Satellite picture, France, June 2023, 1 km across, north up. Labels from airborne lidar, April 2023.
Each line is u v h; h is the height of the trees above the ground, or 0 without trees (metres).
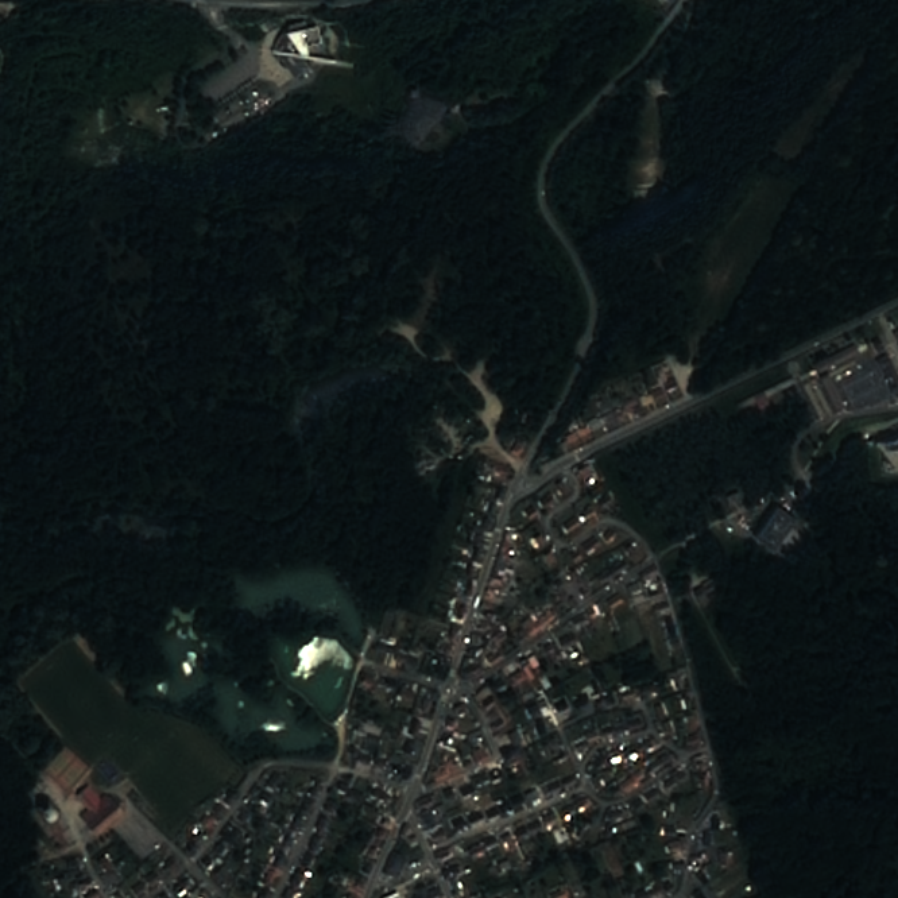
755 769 17
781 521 0
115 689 0
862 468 9
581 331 0
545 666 12
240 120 0
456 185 9
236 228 18
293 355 17
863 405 0
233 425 22
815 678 17
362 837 8
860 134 23
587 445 0
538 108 17
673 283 13
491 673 0
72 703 0
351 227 19
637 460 16
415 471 14
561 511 0
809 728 16
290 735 0
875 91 24
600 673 9
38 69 7
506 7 8
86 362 17
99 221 0
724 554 22
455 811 0
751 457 18
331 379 0
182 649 0
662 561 0
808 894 20
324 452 20
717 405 0
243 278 9
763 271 16
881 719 23
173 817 0
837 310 15
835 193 20
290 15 0
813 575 25
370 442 17
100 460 18
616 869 0
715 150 23
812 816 24
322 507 15
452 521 0
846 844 27
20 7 7
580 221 18
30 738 22
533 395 21
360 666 0
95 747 0
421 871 0
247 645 16
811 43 20
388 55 6
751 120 22
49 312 15
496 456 0
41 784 0
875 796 28
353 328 15
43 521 15
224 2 0
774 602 22
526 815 0
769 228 0
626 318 26
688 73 14
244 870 0
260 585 0
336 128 13
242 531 12
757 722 14
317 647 0
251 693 15
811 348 0
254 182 18
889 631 27
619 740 0
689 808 0
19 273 18
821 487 14
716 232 0
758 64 20
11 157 7
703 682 10
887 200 19
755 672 16
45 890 0
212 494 22
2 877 23
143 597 9
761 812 23
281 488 19
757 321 18
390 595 7
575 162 8
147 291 11
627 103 17
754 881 19
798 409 18
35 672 0
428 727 0
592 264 19
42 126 7
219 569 15
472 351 13
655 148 0
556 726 0
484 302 17
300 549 10
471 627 0
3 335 19
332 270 25
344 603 0
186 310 15
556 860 12
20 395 6
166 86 0
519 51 10
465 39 14
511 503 0
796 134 0
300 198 10
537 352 13
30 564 20
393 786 0
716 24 18
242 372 17
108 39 6
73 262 6
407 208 17
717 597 8
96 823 0
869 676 24
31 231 10
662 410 0
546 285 18
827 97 0
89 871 0
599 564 0
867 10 19
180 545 19
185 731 0
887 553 22
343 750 0
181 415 18
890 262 19
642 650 7
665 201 0
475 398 6
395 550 19
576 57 15
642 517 0
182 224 23
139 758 0
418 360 8
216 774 0
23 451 12
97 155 0
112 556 17
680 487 20
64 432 21
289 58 0
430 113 0
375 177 20
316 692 0
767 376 0
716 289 0
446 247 12
